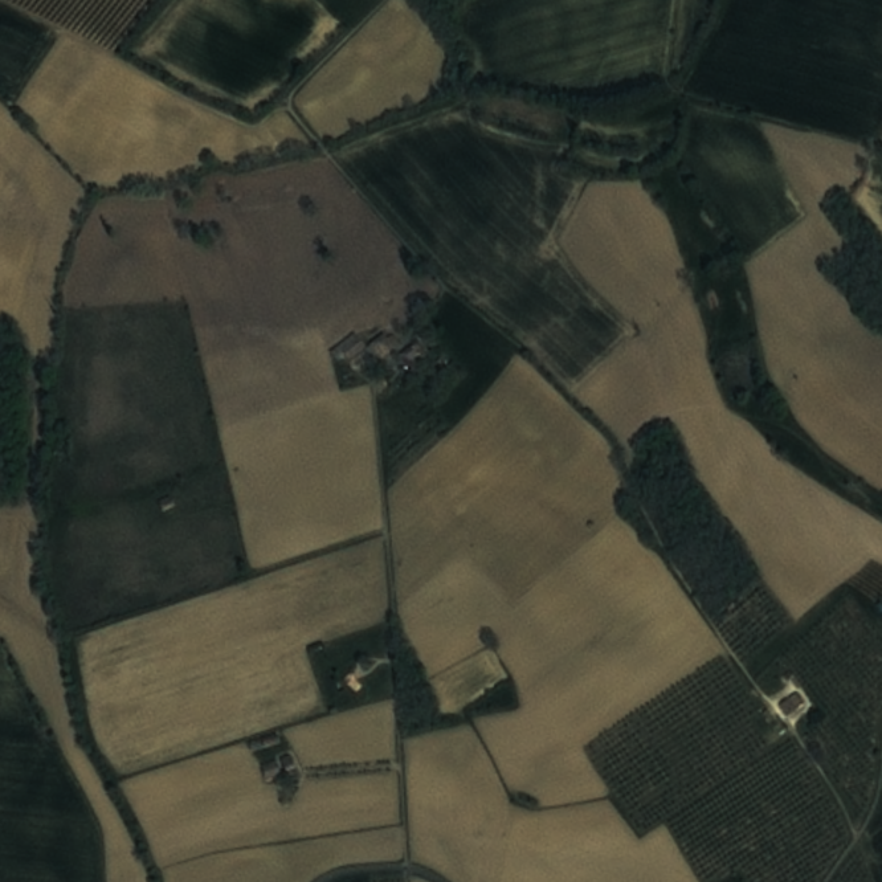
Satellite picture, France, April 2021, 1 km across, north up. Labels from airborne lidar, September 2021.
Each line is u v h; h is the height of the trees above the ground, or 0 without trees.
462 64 14
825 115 0
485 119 19
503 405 0
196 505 0
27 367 29
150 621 0
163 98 0
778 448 11
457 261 0
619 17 0
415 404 0
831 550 0
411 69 0
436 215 0
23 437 23
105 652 0
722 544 22
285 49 0
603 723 0
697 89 0
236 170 10
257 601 0
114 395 0
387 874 0
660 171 15
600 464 0
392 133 0
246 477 0
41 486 23
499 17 0
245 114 14
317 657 0
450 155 0
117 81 0
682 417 0
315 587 0
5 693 0
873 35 0
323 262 14
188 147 0
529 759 0
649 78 0
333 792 0
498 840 0
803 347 0
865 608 0
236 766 0
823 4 0
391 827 0
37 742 0
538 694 0
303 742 0
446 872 0
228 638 0
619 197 0
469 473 0
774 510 0
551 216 0
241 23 0
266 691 0
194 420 0
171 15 0
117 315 0
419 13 20
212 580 0
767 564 0
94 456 0
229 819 0
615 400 0
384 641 0
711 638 0
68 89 0
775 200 0
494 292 0
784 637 0
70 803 0
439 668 0
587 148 16
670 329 0
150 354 0
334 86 0
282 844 0
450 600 0
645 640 0
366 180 0
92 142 0
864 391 0
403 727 11
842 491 0
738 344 0
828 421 0
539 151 0
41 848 0
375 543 0
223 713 0
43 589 18
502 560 0
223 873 0
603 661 0
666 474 13
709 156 0
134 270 0
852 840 0
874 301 19
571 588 0
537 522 0
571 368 0
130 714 0
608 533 0
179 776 0
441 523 0
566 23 0
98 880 0
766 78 0
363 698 0
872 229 15
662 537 15
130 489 0
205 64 0
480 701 7
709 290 0
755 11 0
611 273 0
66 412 0
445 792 0
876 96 0
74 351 0
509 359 0
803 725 6
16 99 0
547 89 0
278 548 0
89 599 0
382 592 0
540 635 0
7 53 0
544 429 0
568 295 0
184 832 0
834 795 0
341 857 0
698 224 0
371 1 0
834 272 18
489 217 0
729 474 0
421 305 17
